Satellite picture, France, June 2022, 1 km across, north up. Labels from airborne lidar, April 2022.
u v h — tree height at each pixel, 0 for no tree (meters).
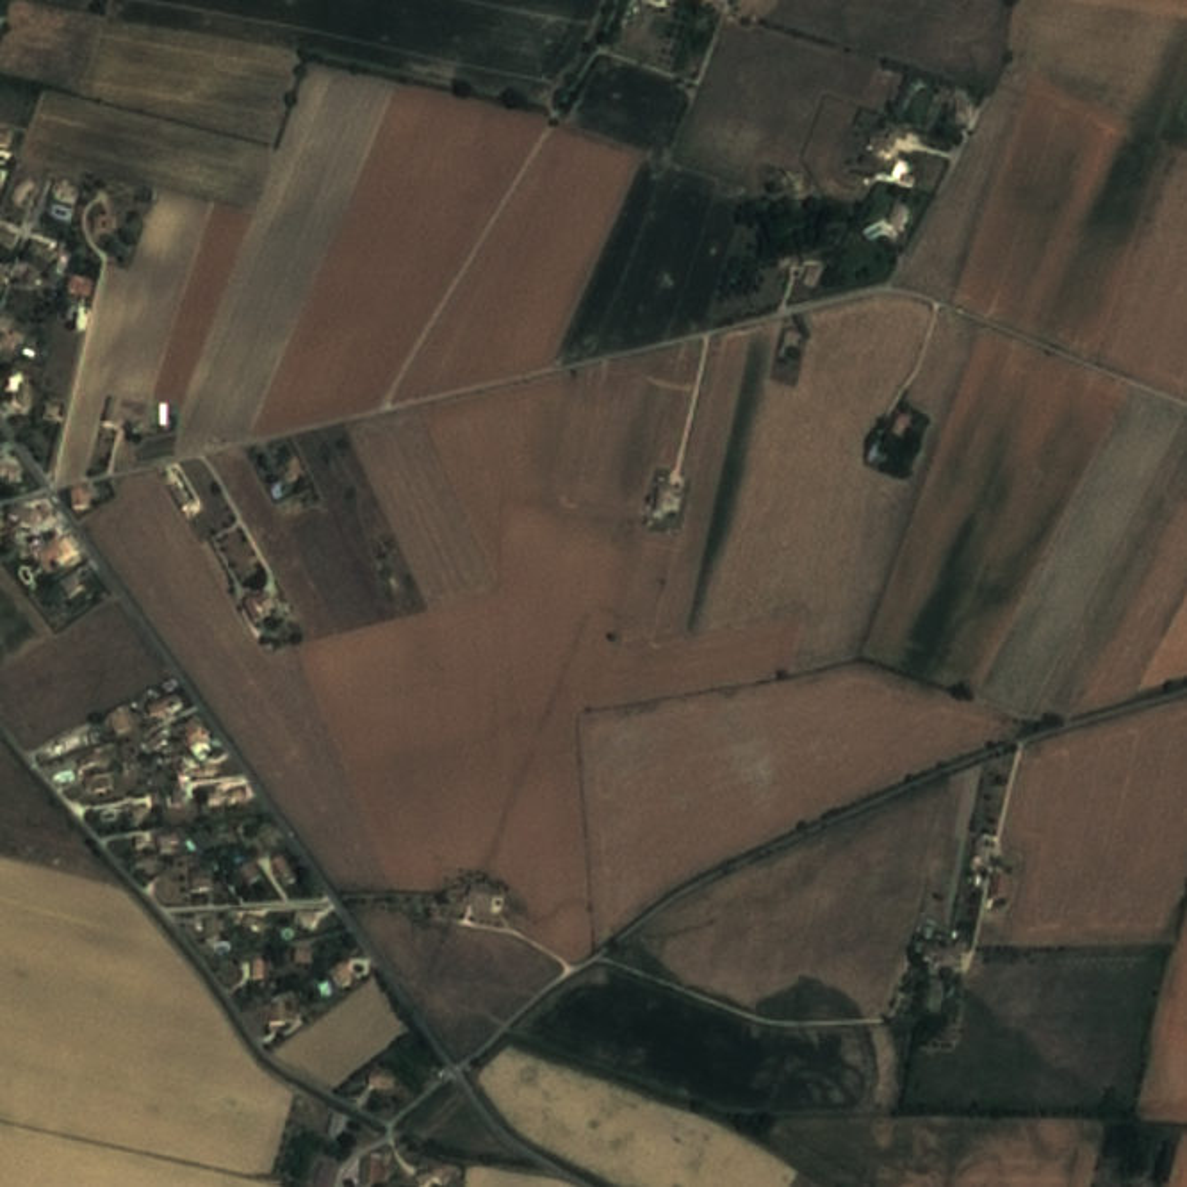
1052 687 0
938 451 0
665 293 0
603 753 0
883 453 6
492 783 0
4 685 0
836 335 0
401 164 0
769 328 0
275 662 0
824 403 0
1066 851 0
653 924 0
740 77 0
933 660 0
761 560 0
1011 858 0
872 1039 0
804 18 0
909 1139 0
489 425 0
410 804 0
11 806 0
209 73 0
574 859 0
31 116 0
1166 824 0
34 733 0
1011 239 0
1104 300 0
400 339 0
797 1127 0
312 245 0
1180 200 0
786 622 0
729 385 0
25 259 11
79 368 0
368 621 0
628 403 0
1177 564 0
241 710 0
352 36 0
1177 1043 0
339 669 0
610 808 0
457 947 0
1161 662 0
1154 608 0
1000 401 0
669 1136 0
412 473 0
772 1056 0
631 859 0
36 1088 0
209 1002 0
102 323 0
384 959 0
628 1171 0
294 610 0
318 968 8
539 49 0
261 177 0
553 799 0
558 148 0
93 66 0
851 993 0
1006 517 0
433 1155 10
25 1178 0
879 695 0
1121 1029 0
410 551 0
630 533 0
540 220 0
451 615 0
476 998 0
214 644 0
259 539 0
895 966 0
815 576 0
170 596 0
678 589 0
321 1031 0
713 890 0
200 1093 0
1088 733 0
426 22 0
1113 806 0
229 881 11
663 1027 0
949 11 0
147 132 0
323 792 0
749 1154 0
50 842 0
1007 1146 0
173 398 0
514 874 0
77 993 0
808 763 0
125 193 0
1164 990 0
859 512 0
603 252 0
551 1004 0
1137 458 0
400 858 0
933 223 0
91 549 0
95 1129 0
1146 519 0
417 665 0
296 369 0
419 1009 0
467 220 0
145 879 8
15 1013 0
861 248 0
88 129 0
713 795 0
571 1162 0
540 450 0
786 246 11
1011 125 0
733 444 0
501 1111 0
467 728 0
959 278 0
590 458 0
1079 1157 0
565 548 0
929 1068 0
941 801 0
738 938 0
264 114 0
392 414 0
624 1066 0
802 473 0
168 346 0
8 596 0
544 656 0
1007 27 0
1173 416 0
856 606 0
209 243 0
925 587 0
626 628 0
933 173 0
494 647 0
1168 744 0
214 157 0
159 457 0
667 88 0
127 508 0
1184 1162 0
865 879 0
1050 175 0
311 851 0
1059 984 0
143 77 0
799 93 0
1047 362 0
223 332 0
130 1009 0
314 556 0
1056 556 0
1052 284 0
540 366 0
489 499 0
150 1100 0
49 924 0
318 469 0
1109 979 0
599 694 0
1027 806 0
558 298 0
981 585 0
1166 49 0
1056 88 0
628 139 0
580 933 0
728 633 0
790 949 0
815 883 0
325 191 0
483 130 0
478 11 0
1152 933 0
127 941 0
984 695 0
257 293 0
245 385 0
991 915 0
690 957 0
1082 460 0
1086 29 0
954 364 0
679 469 0
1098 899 0
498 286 0
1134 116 0
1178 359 0
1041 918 0
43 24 0
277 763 0
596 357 0
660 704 0
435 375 0
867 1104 0
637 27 0
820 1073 0
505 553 0
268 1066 0
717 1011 0
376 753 0
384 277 0
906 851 0
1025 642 0
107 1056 0
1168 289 0
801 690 0
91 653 0
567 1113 0
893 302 0
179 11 0
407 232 0
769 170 0
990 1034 0
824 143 0
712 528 0
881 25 0
